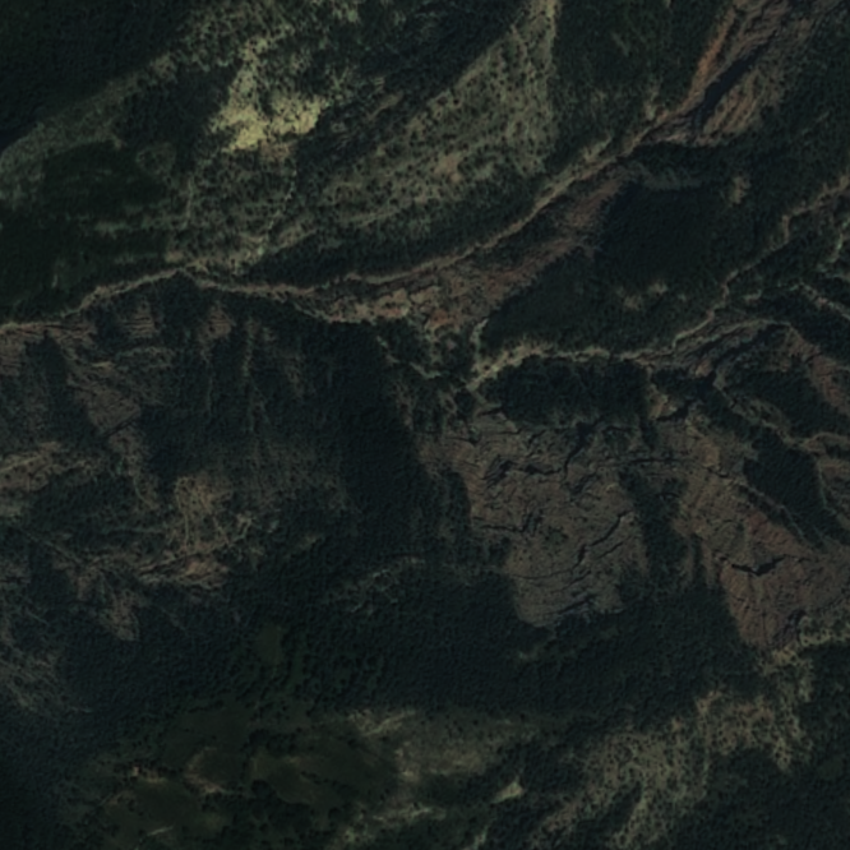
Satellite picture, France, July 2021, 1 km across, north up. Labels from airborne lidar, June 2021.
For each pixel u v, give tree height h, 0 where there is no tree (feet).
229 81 33
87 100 0
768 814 25
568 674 46
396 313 0
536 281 25
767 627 0
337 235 22
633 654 39
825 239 33
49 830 47
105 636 43
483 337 34
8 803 99
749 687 22
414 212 24
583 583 0
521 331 46
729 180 25
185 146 30
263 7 22
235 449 22
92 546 26
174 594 26
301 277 45
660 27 26
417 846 27
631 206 66
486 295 0
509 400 49
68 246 34
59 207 35
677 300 24
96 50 81
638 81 31
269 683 26
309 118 0
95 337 29
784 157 40
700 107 0
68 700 20
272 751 31
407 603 38
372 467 52
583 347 28
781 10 0
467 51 26
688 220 65
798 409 33
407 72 34
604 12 35
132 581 18
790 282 23
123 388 20
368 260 69
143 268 32
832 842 36
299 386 21
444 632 25
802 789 30
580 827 37
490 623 47
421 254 23
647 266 61
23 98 38
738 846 26
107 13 37
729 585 0
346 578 25
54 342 26
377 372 43
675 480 30
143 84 57
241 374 26
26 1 23
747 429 26
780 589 0
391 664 45
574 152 37
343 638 34
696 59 23
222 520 22
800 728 24
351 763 0
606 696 20
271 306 35
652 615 29
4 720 29
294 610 46
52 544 27
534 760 27
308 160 18
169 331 21
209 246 22
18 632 27
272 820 27
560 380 52
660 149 34
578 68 33
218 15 34
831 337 41
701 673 27
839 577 0
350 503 22
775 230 34
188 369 17
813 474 33
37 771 32
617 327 24
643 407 43
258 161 29
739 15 39
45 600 31
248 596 30
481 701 29
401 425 38
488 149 21
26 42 31
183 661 26
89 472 23
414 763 0
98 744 20
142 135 72
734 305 30
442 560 22
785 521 30
